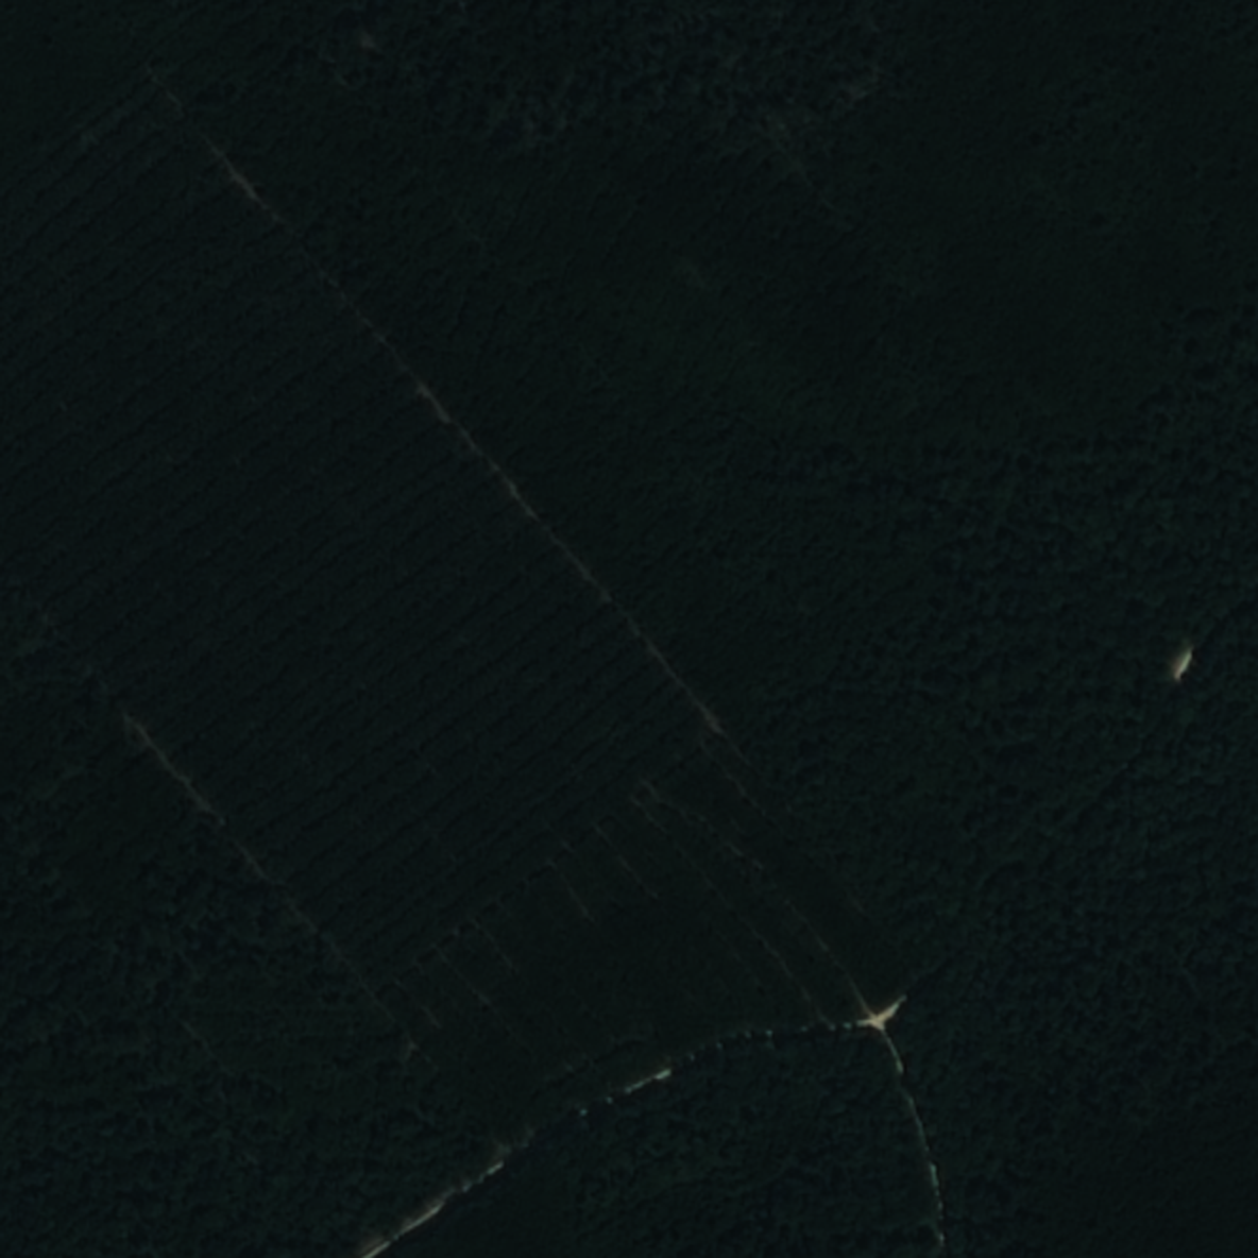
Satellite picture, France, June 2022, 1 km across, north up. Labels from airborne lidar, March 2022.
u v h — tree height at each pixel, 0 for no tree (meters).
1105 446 24
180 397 11
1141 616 25
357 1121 14
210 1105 21
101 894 10
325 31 8
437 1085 15
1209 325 24
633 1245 7
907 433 6
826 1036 21
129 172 14
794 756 15
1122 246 8
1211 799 24
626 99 23
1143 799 27
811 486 21
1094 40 11
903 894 19
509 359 9
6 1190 26
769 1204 7
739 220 6
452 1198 0
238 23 9
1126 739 25
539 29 10
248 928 24
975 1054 19
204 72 6
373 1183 20
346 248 16
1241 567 22
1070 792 21
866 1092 21
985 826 29
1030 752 25
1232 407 19
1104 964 26
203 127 17
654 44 23
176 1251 6
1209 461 21
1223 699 23
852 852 16
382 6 23
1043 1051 24
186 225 14
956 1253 22
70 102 17
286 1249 21
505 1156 0
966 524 27
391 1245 0
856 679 15
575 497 6
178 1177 24
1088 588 26
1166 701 22
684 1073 21
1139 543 25
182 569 12
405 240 7
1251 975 25
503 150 18
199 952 26
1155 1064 27
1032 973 22
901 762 19
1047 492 16
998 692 20
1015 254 9
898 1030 21
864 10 23
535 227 8
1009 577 22
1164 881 25
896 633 21
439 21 22
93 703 22
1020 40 9
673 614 6
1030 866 23
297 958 9
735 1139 22
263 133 8
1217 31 12
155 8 8
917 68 12
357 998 17
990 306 9
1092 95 11
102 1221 25
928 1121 22
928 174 5
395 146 9
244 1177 23
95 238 12
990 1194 26
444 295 8
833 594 7
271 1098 22
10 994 19
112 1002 25
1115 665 26
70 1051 18
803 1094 23
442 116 22
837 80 21
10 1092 20
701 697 9
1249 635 19
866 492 29
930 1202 21
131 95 12
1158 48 8
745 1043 14
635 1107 18
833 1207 21
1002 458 14
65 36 11
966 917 17
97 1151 23
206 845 23
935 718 19
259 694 13
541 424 7
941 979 18
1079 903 24
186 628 13
